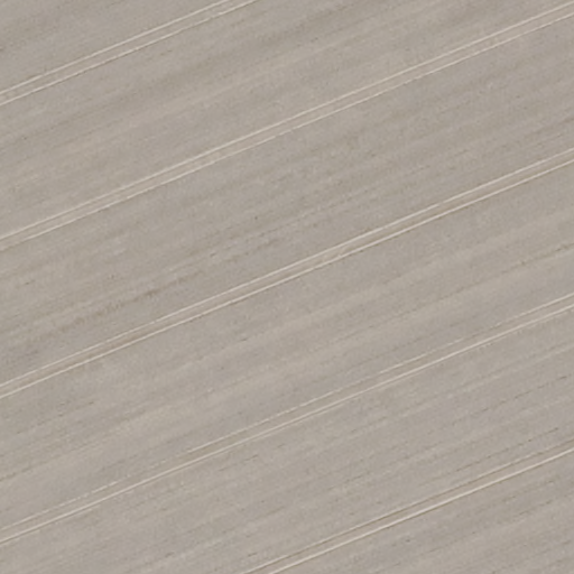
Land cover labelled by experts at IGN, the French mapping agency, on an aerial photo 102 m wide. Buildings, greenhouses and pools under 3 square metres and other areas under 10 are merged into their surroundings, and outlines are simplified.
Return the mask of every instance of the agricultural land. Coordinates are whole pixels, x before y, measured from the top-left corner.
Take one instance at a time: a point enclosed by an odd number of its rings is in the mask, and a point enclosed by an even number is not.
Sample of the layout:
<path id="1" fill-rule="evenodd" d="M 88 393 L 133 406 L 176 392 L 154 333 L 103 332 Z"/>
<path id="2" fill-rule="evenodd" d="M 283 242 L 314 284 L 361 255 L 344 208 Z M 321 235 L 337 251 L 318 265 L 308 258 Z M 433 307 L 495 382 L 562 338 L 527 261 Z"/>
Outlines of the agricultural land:
<path id="1" fill-rule="evenodd" d="M 0 0 L 0 574 L 574 574 L 574 0 Z"/>

